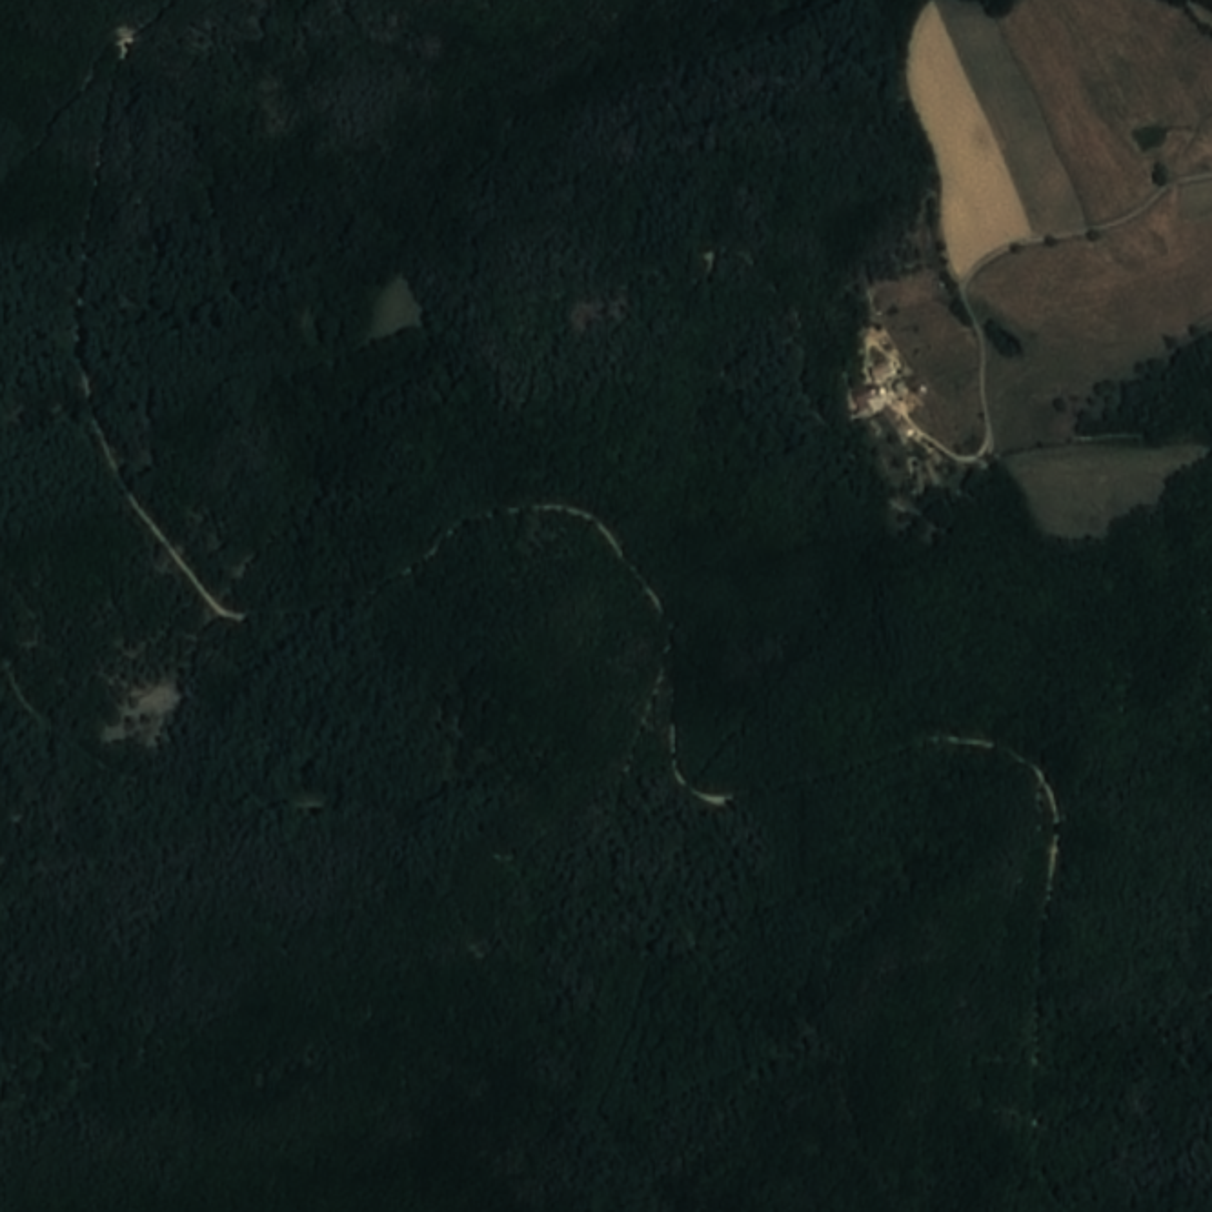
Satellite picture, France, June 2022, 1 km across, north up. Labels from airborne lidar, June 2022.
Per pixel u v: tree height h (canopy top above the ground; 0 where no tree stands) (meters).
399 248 19
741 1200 10
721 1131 10
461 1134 14
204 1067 12
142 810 19
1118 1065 10
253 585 13
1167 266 0
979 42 0
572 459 9
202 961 14
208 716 17
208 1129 12
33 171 19
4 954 14
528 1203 14
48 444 29
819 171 14
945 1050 17
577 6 12
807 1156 13
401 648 15
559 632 10
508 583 9
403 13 15
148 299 32
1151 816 21
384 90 19
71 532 14
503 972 17
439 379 12
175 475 13
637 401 10
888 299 0
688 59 19
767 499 17
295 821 26
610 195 23
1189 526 12
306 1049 17
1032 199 0
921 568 14
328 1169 13
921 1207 16
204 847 16
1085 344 0
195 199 23
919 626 12
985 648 12
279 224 22
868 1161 10
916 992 19
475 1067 14
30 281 27
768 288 12
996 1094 17
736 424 12
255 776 27
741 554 15
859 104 18
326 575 13
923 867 13
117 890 16
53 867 17
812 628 14
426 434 14
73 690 6
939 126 0
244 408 25
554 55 10
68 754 27
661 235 27
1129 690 11
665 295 14
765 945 10
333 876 15
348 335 16
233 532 13
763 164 18
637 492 11
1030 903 10
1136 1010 21
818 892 11
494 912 14
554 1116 16
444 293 23
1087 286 0
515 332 12
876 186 16
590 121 22
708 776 13
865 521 13
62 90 14
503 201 17
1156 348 0
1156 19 0
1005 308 0
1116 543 9
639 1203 15
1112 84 0
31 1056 11
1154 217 0
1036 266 0
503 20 13
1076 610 11
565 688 12
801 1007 8
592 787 12
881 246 13
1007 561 12
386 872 15
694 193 24
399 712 24
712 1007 15
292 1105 13
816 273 17
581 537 7
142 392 27
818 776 12
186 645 10
